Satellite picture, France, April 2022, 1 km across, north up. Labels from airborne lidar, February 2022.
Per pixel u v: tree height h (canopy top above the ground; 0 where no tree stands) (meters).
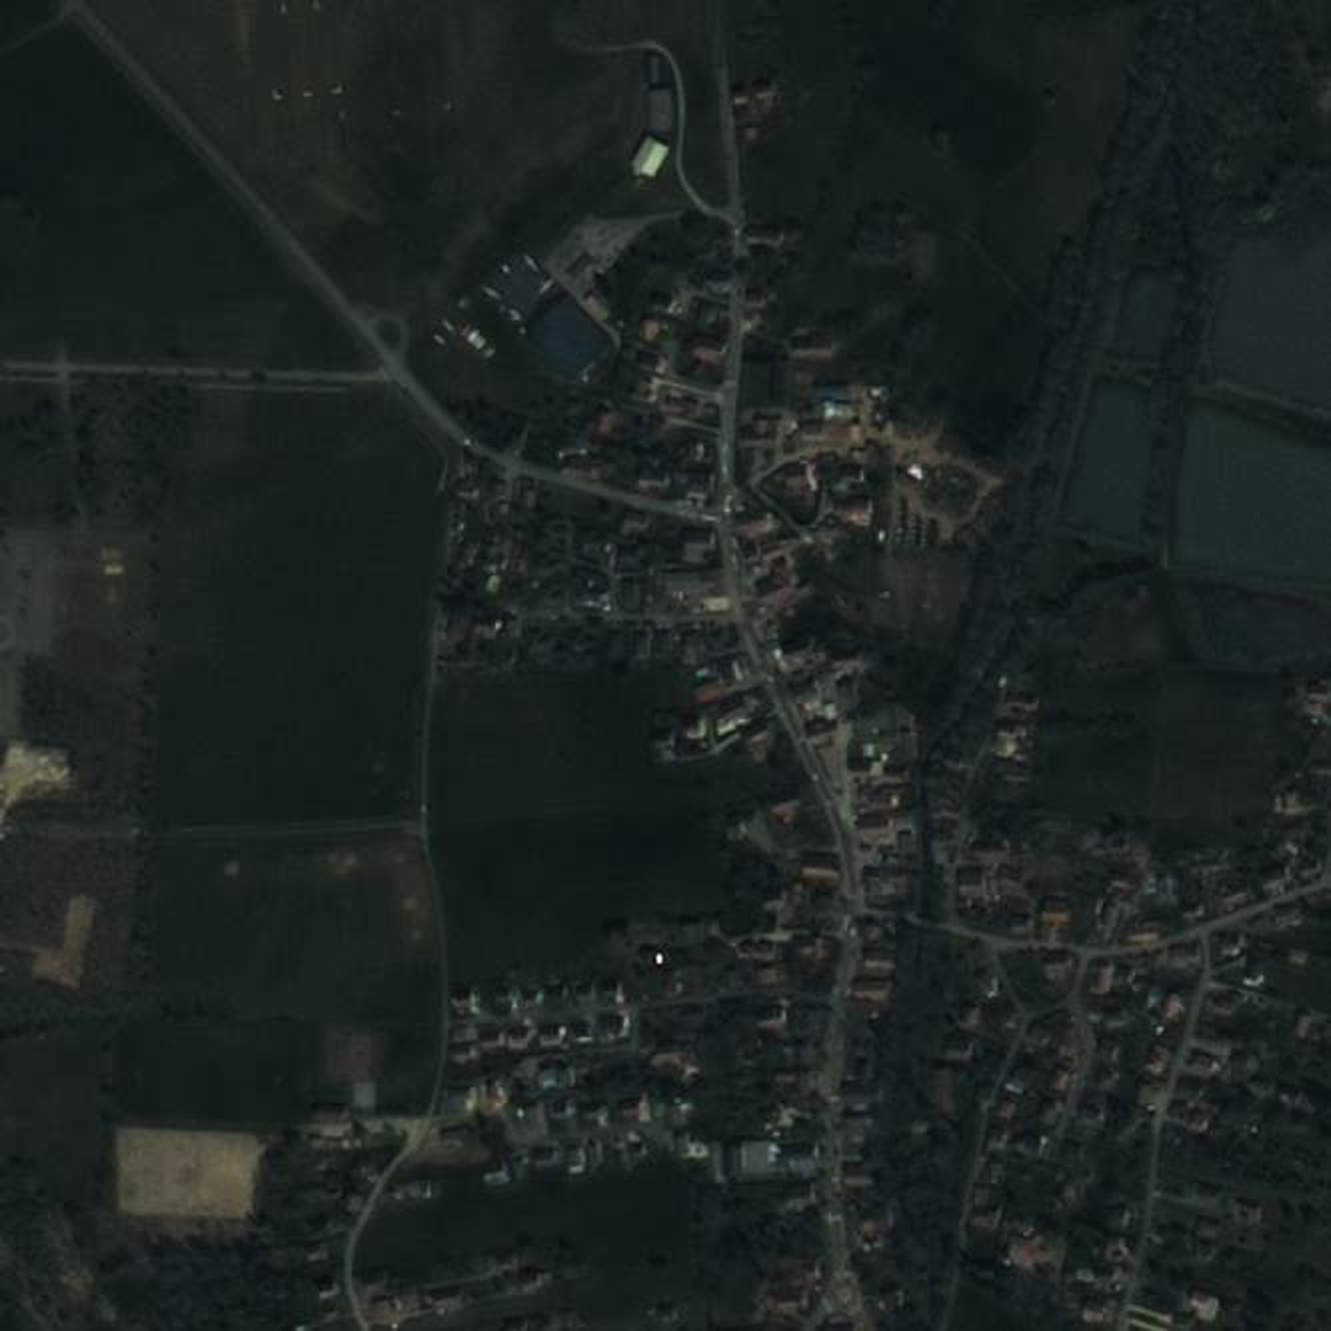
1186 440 0
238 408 0
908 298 0
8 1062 0
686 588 0
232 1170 0
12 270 0
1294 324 0
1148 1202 0
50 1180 0
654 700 0
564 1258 6
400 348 0
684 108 0
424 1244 0
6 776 0
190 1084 0
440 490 0
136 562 0
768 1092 13
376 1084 0
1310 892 0
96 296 0
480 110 0
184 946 0
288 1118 0
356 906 0
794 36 0
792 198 0
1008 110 0
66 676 0
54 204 0
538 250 0
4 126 0
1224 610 0
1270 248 0
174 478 0
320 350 0
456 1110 0
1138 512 0
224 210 0
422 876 0
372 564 0
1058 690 0
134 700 0
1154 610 0
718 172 0
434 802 0
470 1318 0
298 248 0
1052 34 0
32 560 0
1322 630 0
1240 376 0
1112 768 0
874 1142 16
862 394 0
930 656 0
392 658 0
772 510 8
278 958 0
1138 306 0
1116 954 0
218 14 0
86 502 0
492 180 0
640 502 0
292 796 0
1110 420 0
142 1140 0
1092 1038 0
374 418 0
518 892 0
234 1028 0
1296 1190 8
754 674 0
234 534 0
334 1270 6
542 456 0
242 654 0
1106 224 20
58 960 0
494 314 0
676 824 0
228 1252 16
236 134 0
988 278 0
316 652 0
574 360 0
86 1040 0
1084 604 19
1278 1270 0
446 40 0
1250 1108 13
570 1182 0
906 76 0
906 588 0
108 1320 0
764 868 10
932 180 0
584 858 0
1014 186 0
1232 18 20
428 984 0
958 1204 14
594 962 0
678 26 0
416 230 0
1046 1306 18
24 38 0
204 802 0
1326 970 0
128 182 0
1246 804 0
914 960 18
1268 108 26
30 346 0
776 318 15
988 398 0
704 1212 14
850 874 0
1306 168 12
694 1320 0
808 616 0
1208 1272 0
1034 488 21
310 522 0
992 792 0
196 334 0
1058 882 0
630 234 0
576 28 0
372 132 0
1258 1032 0
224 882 0
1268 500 0
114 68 0
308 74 0
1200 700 0
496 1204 0
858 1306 0
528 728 0
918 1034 17
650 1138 0
